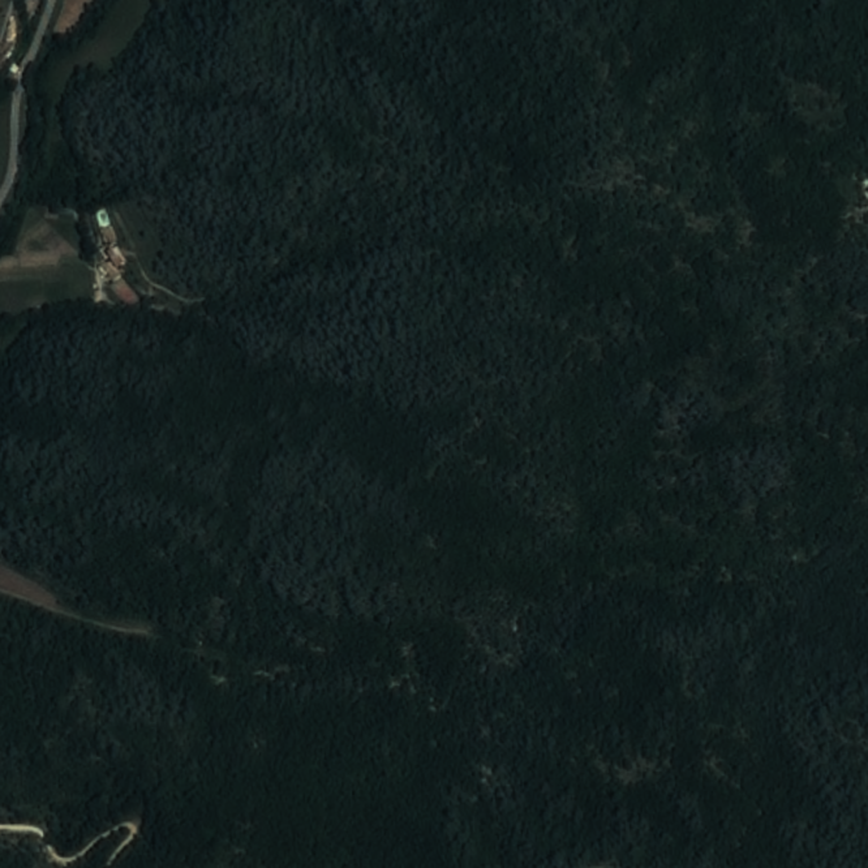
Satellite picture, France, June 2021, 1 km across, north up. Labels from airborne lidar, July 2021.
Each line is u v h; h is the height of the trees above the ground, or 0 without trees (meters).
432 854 14
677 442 9
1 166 0
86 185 12
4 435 22
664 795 10
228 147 13
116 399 20
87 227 13
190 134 16
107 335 25
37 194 11
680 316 12
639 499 11
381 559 9
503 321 15
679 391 19
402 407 21
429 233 8
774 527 12
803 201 11
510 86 10
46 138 7
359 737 12
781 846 10
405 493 12
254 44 14
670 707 9
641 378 11
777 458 17
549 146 9
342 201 11
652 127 9
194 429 14
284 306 24
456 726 11
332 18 11
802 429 9
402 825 15
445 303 14
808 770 17
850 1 11
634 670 9
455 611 19
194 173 17
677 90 6
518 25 9
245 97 12
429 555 11
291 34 8
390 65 14
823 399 9
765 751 10
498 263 18
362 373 20
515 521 12
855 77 8
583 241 10
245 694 9
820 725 17
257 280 15
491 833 14
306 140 16
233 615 14
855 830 17
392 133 13
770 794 11
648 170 7
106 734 12
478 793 13
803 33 8
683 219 7
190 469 16
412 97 16
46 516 15
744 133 12
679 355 10
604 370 15
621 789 11
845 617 11
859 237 6
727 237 10
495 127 14
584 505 13
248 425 14
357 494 15
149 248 0
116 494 13
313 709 11
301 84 16
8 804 8
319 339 19
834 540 14
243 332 15
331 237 13
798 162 9
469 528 11
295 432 13
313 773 12
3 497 15
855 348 9
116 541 13
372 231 12
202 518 17
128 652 10
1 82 15
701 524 18
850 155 10
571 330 9
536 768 16
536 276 11
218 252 7
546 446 7
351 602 27
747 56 10
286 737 8
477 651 10
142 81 14
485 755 6
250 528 20
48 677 10
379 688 7
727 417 13
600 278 12
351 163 10
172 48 11
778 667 14
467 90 11
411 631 14
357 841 11
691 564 9
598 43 8
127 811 11
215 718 12
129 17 0
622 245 7
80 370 25
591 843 11
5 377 22
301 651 14
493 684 8
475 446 12
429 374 10
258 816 11
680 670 15
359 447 14
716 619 21
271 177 14
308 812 13
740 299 15
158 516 19
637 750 8
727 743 9
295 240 20
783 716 12
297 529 19
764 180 10
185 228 11
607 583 11
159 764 9
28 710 7
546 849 10
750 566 10
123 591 11
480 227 7
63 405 22
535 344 12
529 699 10
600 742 8
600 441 9
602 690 12
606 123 8
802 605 7
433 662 14
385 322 15
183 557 14
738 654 7
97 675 13
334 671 12
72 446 20
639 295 13
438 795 9
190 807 9
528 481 14
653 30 9
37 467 9
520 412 16
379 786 10
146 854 10
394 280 23
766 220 9
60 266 0
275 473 19
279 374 18
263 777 11
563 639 11
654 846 10
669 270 11
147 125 20
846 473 9
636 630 9
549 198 8
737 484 21
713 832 13
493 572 14
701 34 9
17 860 9
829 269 9
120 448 20
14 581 0
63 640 13
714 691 11
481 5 11
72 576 12
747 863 14
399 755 9
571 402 9
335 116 14
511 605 14
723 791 9
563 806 18
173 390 15
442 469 8
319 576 22
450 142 18
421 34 13
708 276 9
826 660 12
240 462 15
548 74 7
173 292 8
